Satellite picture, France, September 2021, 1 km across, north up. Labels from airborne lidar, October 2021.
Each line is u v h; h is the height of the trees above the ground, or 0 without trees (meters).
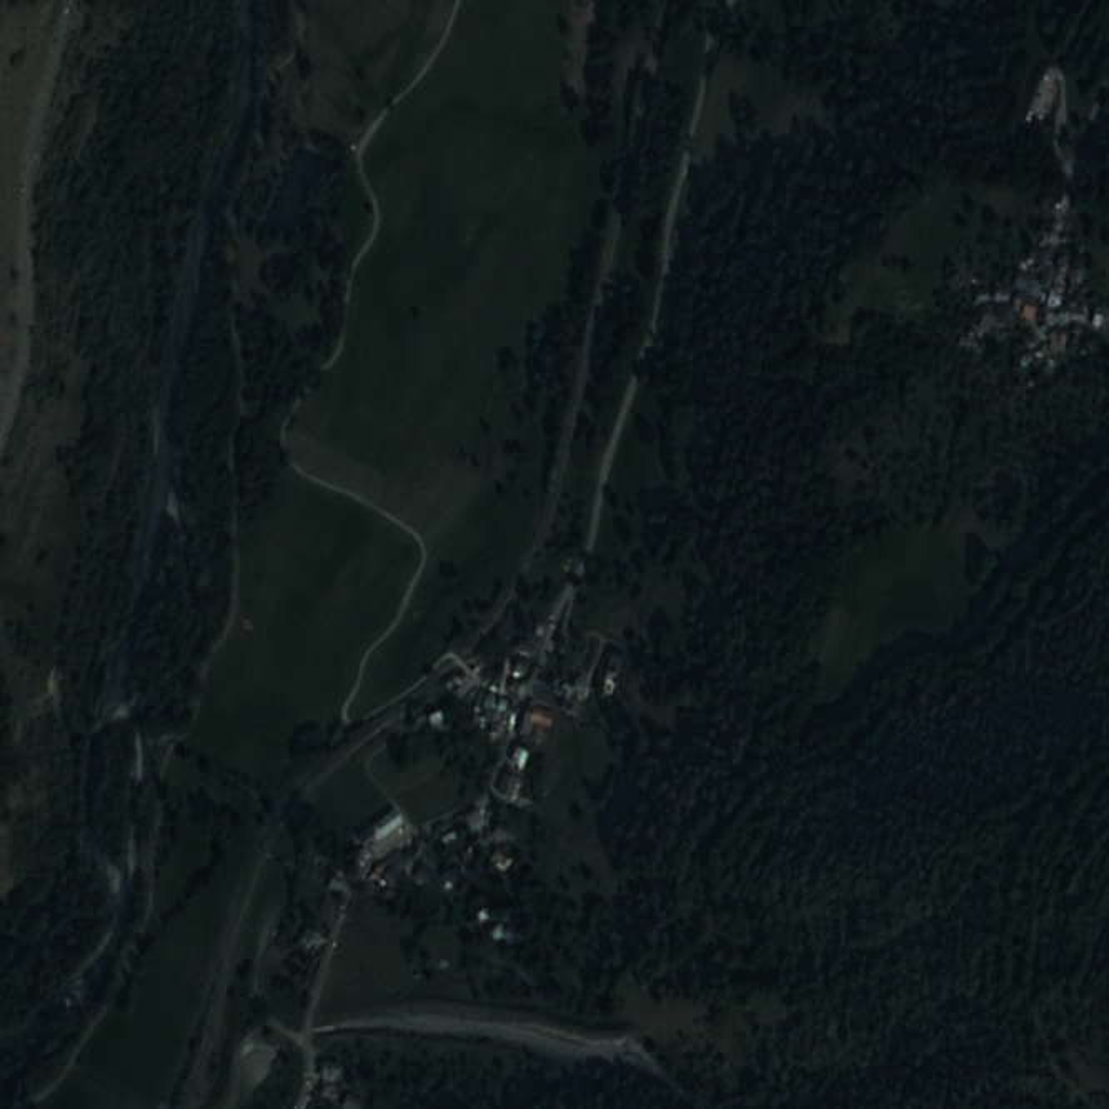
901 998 15
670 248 0
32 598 0
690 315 16
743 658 14
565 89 0
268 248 15
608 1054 0
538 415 11
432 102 0
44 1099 0
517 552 0
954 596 0
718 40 13
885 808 22
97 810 11
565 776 0
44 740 13
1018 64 21
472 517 0
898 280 0
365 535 0
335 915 0
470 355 0
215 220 14
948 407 7
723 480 24
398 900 6
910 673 21
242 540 0
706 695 20
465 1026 0
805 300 19
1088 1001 14
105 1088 0
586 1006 10
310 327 0
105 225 24
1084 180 16
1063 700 21
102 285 8
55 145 7
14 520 0
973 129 29
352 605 0
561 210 0
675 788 22
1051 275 0
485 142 0
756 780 21
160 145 24
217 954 0
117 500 12
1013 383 8
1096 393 8
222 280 27
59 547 0
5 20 0
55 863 14
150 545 0
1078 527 19
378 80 0
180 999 0
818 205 24
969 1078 16
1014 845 13
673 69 0
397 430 0
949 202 0
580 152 0
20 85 0
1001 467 8
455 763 7
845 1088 14
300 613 0
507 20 0
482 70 0
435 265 0
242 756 0
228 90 21
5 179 0
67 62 9
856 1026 11
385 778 0
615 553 0
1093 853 23
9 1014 16
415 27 0
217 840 32
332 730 9
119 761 12
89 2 8
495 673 8
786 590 19
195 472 14
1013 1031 16
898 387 9
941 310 8
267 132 16
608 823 7
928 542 0
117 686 0
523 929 16
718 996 25
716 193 20
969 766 24
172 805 15
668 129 23
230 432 15
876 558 0
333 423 0
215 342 9
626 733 21
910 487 7
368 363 0
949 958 19
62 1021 15
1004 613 19
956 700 21
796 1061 14
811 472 31
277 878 0
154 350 18
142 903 9
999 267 7
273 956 0
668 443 17
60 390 12
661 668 11
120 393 10
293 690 0
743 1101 8
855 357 15
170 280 20
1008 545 0
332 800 0
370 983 0
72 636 7
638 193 27
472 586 0
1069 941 16
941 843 17
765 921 26
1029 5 21
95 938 17
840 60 22
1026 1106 20
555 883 0
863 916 12
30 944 18
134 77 21
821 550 23
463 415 0
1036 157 23
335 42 0
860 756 22
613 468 0
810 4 20
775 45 22
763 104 0
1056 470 10
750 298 19
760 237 23
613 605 0
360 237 0
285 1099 5
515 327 0
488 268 0
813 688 18
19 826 9
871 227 22
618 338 22
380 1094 6
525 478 0
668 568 16
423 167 0
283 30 6
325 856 13
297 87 0
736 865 16
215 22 15
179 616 25
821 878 14
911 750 17
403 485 0
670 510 10
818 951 6
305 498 0
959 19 11
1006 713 18
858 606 0
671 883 18
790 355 14
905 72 15
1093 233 12
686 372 11
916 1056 19
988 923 17
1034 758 21
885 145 16
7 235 0
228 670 0
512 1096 8
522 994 9
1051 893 7
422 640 0
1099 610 18
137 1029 0
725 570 18
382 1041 0
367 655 0
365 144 0
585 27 0
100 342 7
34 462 0
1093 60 9
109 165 14
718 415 22
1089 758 19
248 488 7
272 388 10
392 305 0
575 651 8
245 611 0
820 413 16
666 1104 16
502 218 0
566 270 0
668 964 17
